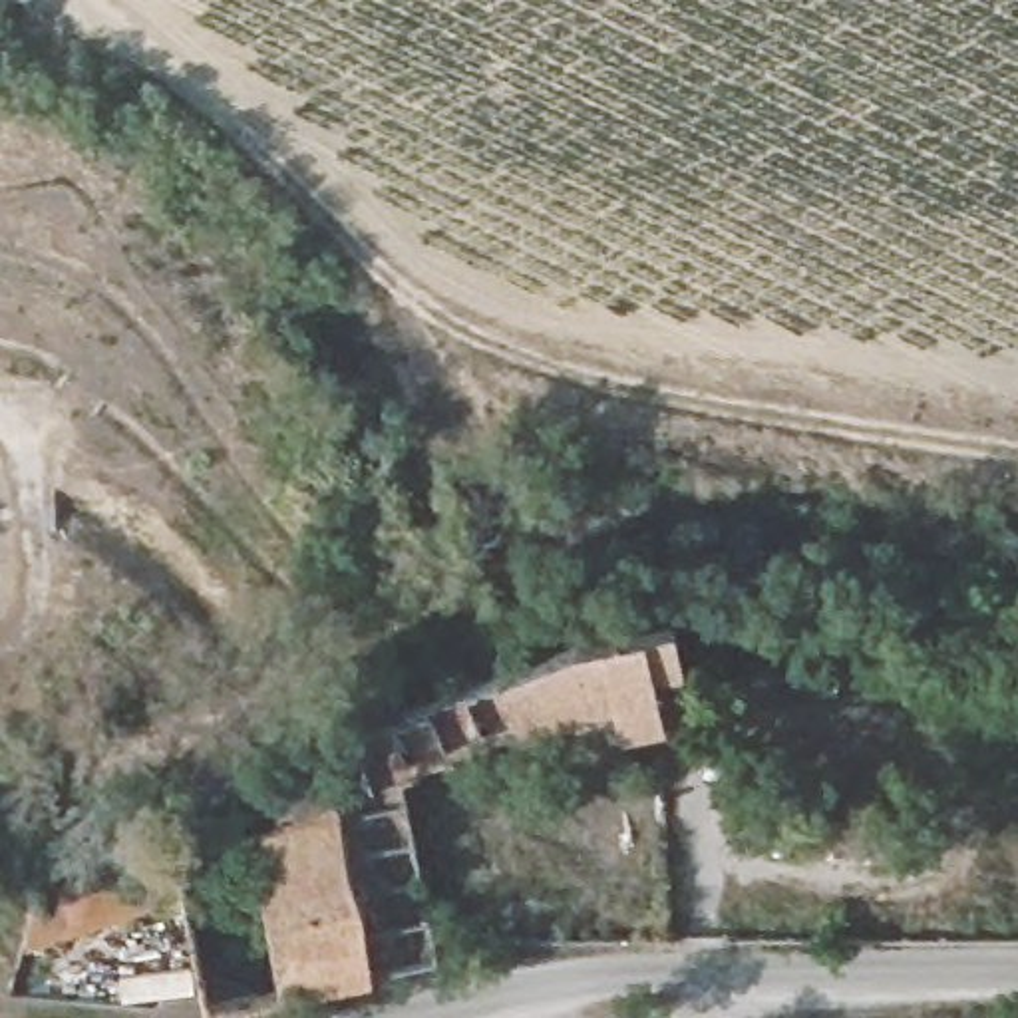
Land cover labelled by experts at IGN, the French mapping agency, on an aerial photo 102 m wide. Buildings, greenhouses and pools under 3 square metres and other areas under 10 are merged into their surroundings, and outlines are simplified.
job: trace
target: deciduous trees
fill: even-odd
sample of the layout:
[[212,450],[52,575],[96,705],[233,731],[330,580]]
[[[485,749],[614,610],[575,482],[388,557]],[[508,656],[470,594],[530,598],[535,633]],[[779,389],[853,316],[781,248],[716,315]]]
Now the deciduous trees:
[[[437,990],[441,1002],[449,1002],[457,998],[457,990],[465,990],[465,982],[497,982],[517,966],[549,958],[593,958],[612,950],[636,954],[648,950],[648,942],[680,938],[795,938],[803,954],[811,954],[823,966],[851,962],[863,946],[883,942],[1018,942],[1018,509],[994,509],[982,497],[962,501],[958,485],[946,477],[931,485],[907,485],[899,473],[871,465],[859,497],[843,485],[839,473],[807,473],[803,489],[791,493],[787,477],[779,477],[760,457],[728,449],[700,453],[696,441],[656,441],[660,406],[668,402],[652,386],[577,382],[557,374],[541,398],[521,398],[517,414],[501,429],[469,437],[461,425],[469,418],[469,402],[449,386],[437,358],[410,330],[398,326],[402,310],[394,306],[390,290],[378,286],[370,274],[378,247],[374,235],[350,231],[342,223],[342,199],[310,171],[306,155],[298,155],[274,131],[274,119],[266,111],[231,107],[227,95],[215,91],[215,72],[203,64],[167,72],[167,56],[147,52],[135,32],[87,36],[68,16],[64,0],[0,0],[0,111],[8,119],[52,119],[52,127],[76,151],[107,151],[115,159],[115,171],[131,171],[147,183],[151,203],[143,207],[143,215],[123,219],[123,247],[123,258],[139,278],[179,282],[199,274],[223,274],[223,286],[187,298],[187,306],[207,330],[207,350],[223,354],[231,346],[227,326],[243,314],[251,318],[251,342],[243,358],[247,382],[235,410],[239,437],[262,449],[270,481],[262,481],[255,505],[243,501],[219,513],[203,505],[195,493],[183,501],[183,513],[171,525],[207,565],[219,553],[235,553],[251,577],[247,585],[270,589],[278,596],[258,612],[255,628],[223,624],[219,616],[203,628],[195,620],[183,620],[179,636],[167,648],[155,648],[151,616],[143,616],[143,608],[131,608],[127,616],[107,612],[103,632],[91,636],[95,652],[103,656],[103,676],[87,672],[84,680],[64,684],[60,696],[44,700],[36,716],[8,712],[12,736],[0,740],[0,903],[12,899],[28,911],[56,915],[64,903],[72,903],[68,879],[84,871],[95,875],[99,867],[115,863],[115,835],[131,819],[147,827],[147,847],[159,847],[159,855],[151,859],[151,875],[179,879],[187,887],[187,903],[199,954],[199,986],[207,994],[207,1006],[215,1010],[211,1018],[366,1018],[382,1006],[406,1002],[418,990]],[[414,827],[414,843],[422,855],[422,879],[406,879],[406,899],[422,919],[422,962],[402,966],[390,978],[370,974],[370,990],[350,998],[326,998],[310,986],[278,986],[270,974],[262,934],[262,907],[270,903],[274,887],[262,883],[262,875],[247,867],[239,855],[247,839],[266,839],[278,831],[270,819],[258,815],[270,799],[262,783],[266,752],[302,752],[338,720],[346,720],[358,732],[358,740],[366,740],[382,708],[402,704],[418,712],[425,704],[437,704],[437,684],[445,676],[457,676],[465,692],[489,688],[493,656],[521,656],[529,664],[529,652],[541,644],[561,644],[561,664],[628,656],[644,644],[676,644],[684,680],[656,696],[664,740],[632,748],[612,728],[565,724],[557,732],[533,732],[525,740],[513,740],[509,728],[485,732],[477,740],[461,736],[461,748],[453,748],[445,764],[406,764],[402,756],[390,756],[386,799],[406,799],[406,807],[390,811],[390,823],[398,835]],[[871,859],[871,875],[919,875],[938,867],[946,851],[970,847],[974,871],[966,883],[954,883],[942,895],[903,903],[819,895],[791,883],[724,879],[724,887],[700,887],[692,831],[680,819],[680,783],[696,767],[716,767],[712,807],[720,811],[720,827],[736,855],[779,851],[783,863],[815,863],[823,855],[839,855]]]
[[660,1006],[656,990],[636,986],[624,998],[612,998],[616,1018],[672,1018]]
[[907,1002],[875,1010],[791,1006],[767,1018],[1018,1018],[1018,994],[990,1002]]

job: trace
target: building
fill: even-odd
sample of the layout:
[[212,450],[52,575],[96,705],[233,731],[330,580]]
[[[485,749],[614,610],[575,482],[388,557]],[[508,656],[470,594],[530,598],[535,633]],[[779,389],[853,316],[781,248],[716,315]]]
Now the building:
[[461,748],[461,736],[477,740],[485,732],[509,728],[513,740],[525,740],[533,732],[557,732],[565,724],[612,728],[632,748],[664,740],[656,696],[684,680],[676,644],[644,644],[628,656],[561,664],[561,644],[541,644],[529,652],[529,664],[521,656],[493,656],[489,688],[465,692],[457,676],[445,676],[437,684],[437,704],[425,704],[418,712],[402,704],[382,708],[366,740],[358,740],[358,732],[346,720],[338,720],[302,752],[266,752],[262,783],[270,799],[258,815],[270,819],[278,831],[266,839],[247,839],[239,855],[247,867],[262,875],[262,883],[274,887],[270,903],[262,907],[262,934],[270,974],[278,986],[310,986],[326,998],[350,998],[370,990],[370,974],[390,978],[402,966],[422,962],[422,919],[406,899],[406,879],[422,879],[422,855],[414,843],[414,827],[398,835],[390,823],[390,811],[406,807],[406,799],[386,799],[390,756],[402,756],[406,764],[445,764],[453,748]]
[[151,859],[159,855],[159,847],[147,847],[147,827],[131,819],[115,835],[115,863],[99,867],[95,875],[84,871],[68,879],[72,903],[64,903],[56,915],[28,911],[20,950],[40,958],[52,942],[80,942],[91,934],[107,938],[139,915],[151,915],[155,907],[171,911],[187,903],[187,887],[179,879],[151,875]]

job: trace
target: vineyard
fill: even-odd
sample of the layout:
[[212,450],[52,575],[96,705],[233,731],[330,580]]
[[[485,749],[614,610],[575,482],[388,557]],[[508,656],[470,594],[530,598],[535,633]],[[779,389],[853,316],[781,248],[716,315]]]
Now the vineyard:
[[441,247],[445,255],[457,255],[465,266],[489,270],[517,290],[537,290],[545,302],[561,310],[600,302],[612,314],[660,310],[676,322],[720,318],[740,326],[752,318],[767,318],[791,334],[839,330],[855,342],[895,334],[899,342],[919,350],[958,342],[978,358],[1018,350],[1018,0],[203,0],[207,12],[199,16],[199,28],[223,36],[203,64],[215,72],[215,91],[227,95],[231,107],[266,111],[274,119],[274,131],[298,155],[306,155],[310,171],[342,199],[342,223],[350,231],[374,235],[378,247],[382,247],[398,235],[414,243],[422,239],[425,247]]

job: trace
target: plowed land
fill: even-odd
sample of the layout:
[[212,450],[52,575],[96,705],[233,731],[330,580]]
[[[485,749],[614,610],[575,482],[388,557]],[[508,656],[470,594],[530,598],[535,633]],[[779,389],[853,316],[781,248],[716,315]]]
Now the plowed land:
[[115,577],[139,585],[131,608],[143,608],[143,616],[151,616],[155,648],[167,648],[179,636],[183,620],[195,620],[203,628],[219,616],[223,624],[255,628],[258,612],[278,596],[270,589],[247,585],[251,577],[235,553],[219,553],[207,565],[215,581],[227,589],[227,596],[211,608],[155,549],[127,541],[99,513],[91,513],[68,493],[56,493],[56,541],[72,541],[80,549],[99,553],[99,561],[111,565]]
[[107,258],[107,294],[80,290],[68,298],[68,310],[80,310],[99,334],[80,334],[76,354],[68,362],[48,366],[40,358],[12,354],[8,370],[0,374],[0,394],[24,410],[28,425],[44,414],[72,418],[76,437],[95,453],[91,481],[99,481],[115,497],[155,509],[171,525],[183,513],[183,501],[195,493],[203,505],[219,513],[243,501],[255,505],[262,481],[270,481],[262,449],[239,437],[235,410],[247,382],[243,358],[251,342],[251,318],[243,314],[227,326],[231,346],[223,354],[207,350],[207,330],[187,306],[187,298],[223,286],[223,274],[199,274],[179,282],[139,278],[123,258],[123,247]]

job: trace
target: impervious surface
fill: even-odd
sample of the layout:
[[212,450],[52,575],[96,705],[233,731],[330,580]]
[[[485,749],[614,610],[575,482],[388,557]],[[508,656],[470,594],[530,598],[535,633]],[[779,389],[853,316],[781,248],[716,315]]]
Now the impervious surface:
[[660,310],[612,314],[600,302],[561,310],[545,302],[537,290],[517,290],[489,270],[465,266],[457,255],[445,255],[441,247],[425,247],[422,239],[414,243],[398,235],[382,247],[398,255],[398,262],[441,286],[449,298],[481,314],[505,318],[521,330],[585,338],[600,342],[604,350],[648,346],[656,358],[720,354],[740,362],[819,362],[855,378],[923,390],[927,398],[915,402],[915,425],[994,429],[1018,437],[1018,350],[978,358],[958,342],[919,350],[899,342],[895,334],[855,342],[839,330],[791,334],[767,318],[752,318],[740,326],[720,318],[676,322]]
[[612,950],[593,958],[549,958],[517,966],[497,982],[465,982],[465,990],[457,990],[457,998],[449,1002],[441,1002],[437,990],[418,990],[406,1002],[382,1006],[366,1018],[616,1018],[612,998],[624,998],[636,986],[656,990],[660,1006],[672,1018],[767,1018],[791,1006],[875,1010],[907,1002],[990,1002],[1018,994],[1018,942],[883,942],[863,946],[851,962],[823,966],[811,954],[803,954],[795,938],[680,938],[648,942],[648,950],[636,954]]
[[469,402],[469,418],[461,425],[469,437],[501,429],[517,414],[521,398],[541,398],[557,374],[449,342],[441,330],[418,326],[402,310],[398,326],[410,330],[437,358],[449,386]]
[[775,425],[775,433],[764,433],[764,422],[752,418],[724,418],[668,402],[660,406],[656,441],[696,441],[700,453],[728,449],[760,457],[779,477],[787,477],[791,493],[803,489],[807,473],[839,473],[843,485],[859,497],[871,465],[899,473],[907,485],[931,485],[946,477],[966,457],[851,441],[839,433],[791,425]]

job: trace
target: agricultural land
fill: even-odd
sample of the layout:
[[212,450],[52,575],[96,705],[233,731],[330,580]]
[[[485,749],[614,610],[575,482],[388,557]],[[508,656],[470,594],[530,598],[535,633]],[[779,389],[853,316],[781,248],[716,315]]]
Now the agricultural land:
[[12,354],[40,358],[48,366],[68,362],[76,354],[80,334],[99,334],[80,310],[68,310],[68,298],[80,290],[107,294],[107,258],[123,247],[123,219],[143,215],[143,207],[151,203],[147,183],[131,171],[115,171],[115,159],[107,151],[76,151],[52,127],[52,119],[8,119],[0,111],[0,374],[8,370]]

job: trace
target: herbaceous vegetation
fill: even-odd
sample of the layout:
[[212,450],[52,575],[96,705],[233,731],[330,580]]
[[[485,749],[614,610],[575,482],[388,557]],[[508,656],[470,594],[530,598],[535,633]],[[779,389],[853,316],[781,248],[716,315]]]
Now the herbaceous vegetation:
[[946,477],[958,485],[962,501],[982,497],[994,509],[1018,509],[1018,461],[966,457]]
[[20,620],[0,620],[0,740],[12,736],[8,712],[36,716],[44,700],[60,696],[64,684],[84,680],[87,672],[103,676],[103,656],[95,652],[91,636],[103,632],[107,612],[127,616],[131,608],[139,585],[115,577],[111,565],[99,561],[99,553],[80,549],[72,620],[64,616],[60,628],[40,628],[32,644],[20,636]]
[[139,915],[107,938],[91,934],[80,942],[52,942],[40,958],[20,950],[28,911],[12,899],[0,903],[0,1018],[211,1018],[215,1010],[207,1006],[207,994],[199,986],[199,954],[187,903],[171,911],[155,907],[151,915]]

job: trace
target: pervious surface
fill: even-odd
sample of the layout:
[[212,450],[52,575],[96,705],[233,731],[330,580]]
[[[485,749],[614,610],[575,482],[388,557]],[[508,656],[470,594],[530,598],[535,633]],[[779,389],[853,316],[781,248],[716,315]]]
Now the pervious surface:
[[378,286],[390,290],[394,306],[402,310],[418,326],[441,330],[449,342],[557,374],[577,382],[652,386],[668,402],[724,418],[752,418],[764,422],[764,433],[775,433],[775,425],[791,425],[839,433],[851,441],[966,457],[1018,461],[1018,437],[994,429],[915,425],[915,402],[927,398],[923,390],[855,378],[819,362],[740,362],[720,354],[656,358],[648,346],[604,350],[600,342],[585,338],[521,330],[505,318],[481,314],[449,298],[441,286],[398,262],[398,255],[382,247],[378,247],[370,274]]
[[127,541],[155,549],[211,608],[227,596],[227,589],[215,581],[207,565],[171,525],[155,509],[115,497],[99,481],[91,481],[95,453],[76,437],[72,418],[44,414],[28,425],[24,410],[0,394],[0,620],[20,620],[20,636],[32,644],[40,628],[60,628],[64,616],[72,620],[80,549],[72,541],[56,541],[56,493],[68,493],[91,513],[99,513]]
[[871,875],[871,859],[839,855],[823,855],[815,863],[783,863],[779,851],[736,855],[720,827],[720,811],[712,807],[716,767],[696,767],[680,783],[680,819],[692,831],[700,887],[724,887],[724,879],[791,883],[819,895],[903,903],[942,895],[954,883],[966,883],[974,871],[970,847],[946,851],[938,867],[919,875]]
[[68,16],[87,36],[135,32],[147,52],[167,56],[167,72],[203,64],[223,36],[199,28],[199,16],[207,12],[203,0],[64,0]]

